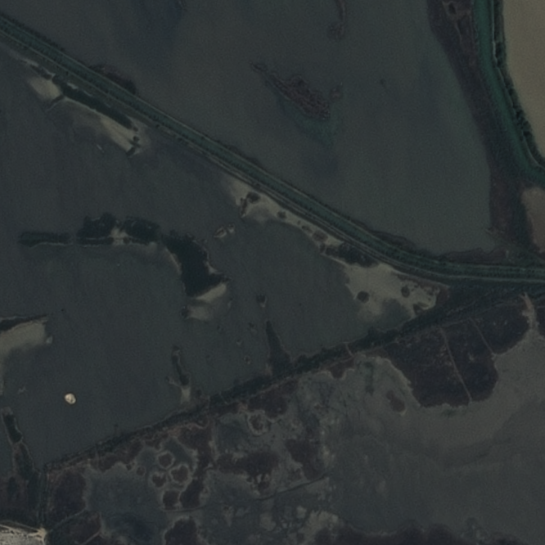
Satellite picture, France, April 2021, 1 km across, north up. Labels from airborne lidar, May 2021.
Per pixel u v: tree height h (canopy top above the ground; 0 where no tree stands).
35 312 0
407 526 0
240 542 0
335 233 0
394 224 0
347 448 0
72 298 0
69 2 0
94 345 0
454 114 0
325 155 0
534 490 0
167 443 0
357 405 0
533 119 0
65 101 0
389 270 0
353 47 0
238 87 0
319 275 0
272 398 0
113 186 0
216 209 0
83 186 0
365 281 0
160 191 0
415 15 0
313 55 0
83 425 0
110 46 0
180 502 0
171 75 0
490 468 0
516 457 0
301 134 0
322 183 0
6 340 0
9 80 0
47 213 0
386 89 0
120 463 0
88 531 0
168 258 0
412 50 0
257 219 0
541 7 0
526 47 0
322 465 0
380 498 0
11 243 0
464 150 0
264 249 0
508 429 0
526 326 0
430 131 0
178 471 0
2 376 0
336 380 0
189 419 7
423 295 0
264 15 0
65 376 0
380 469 0
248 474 0
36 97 0
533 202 0
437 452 0
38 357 0
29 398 0
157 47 0
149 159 0
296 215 0
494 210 0
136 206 0
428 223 0
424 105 0
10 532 0
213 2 0
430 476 0
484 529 0
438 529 0
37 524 6
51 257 0
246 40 0
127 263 0
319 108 0
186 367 0
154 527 0
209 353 0
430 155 0
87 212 0
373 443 0
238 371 0
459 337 0
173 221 0
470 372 0
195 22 0
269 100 0
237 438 0
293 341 0
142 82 0
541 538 0
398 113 0
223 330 0
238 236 0
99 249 0
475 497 0
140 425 0
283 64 0
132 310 0
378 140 0
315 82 0
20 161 0
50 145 0
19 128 0
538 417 0
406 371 0
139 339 0
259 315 0
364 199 0
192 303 0
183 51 0
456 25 0
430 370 0
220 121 0
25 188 0
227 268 0
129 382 0
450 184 0
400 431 0
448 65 0
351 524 0
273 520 0
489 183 0
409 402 0
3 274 0
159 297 0
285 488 0
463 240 0
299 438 0
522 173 6
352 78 0
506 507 0
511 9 0
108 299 0
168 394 0
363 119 0
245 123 0
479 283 0
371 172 0
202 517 0
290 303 0
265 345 0
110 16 0
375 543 0
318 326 0
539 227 0
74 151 0
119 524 0
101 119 0
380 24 0
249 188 0
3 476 0
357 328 0
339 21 0
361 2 0
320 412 0
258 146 0
